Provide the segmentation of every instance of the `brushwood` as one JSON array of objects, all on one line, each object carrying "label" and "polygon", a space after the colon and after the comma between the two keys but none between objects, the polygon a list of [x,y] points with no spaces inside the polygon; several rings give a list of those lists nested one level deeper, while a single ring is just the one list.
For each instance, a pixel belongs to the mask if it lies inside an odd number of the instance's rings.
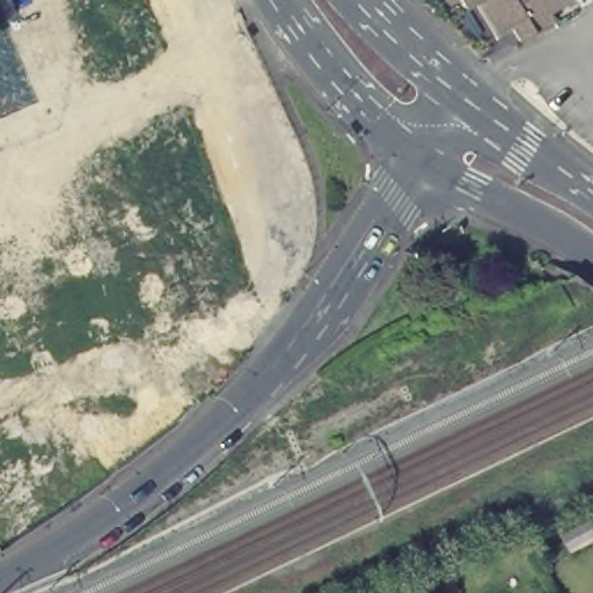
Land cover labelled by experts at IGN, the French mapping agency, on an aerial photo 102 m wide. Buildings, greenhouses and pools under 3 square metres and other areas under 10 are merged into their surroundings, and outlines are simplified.
[{"label": "brushwood", "polygon": [[375,354],[380,347],[424,341],[422,331],[412,329],[412,322],[419,322],[419,313],[408,313],[408,320],[389,324],[373,338],[357,343],[315,375],[320,378],[320,382],[327,385],[343,385],[347,380],[378,373],[385,366],[378,361]]},{"label": "brushwood", "polygon": [[551,556],[547,551],[549,572],[554,586],[551,593],[570,593],[563,579],[558,577],[558,556]]}]

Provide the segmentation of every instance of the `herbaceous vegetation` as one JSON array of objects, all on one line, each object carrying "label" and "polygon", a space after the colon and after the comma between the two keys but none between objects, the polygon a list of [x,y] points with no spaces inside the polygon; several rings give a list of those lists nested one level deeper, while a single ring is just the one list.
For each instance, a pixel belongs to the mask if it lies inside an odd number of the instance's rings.
[{"label": "herbaceous vegetation", "polygon": [[97,74],[97,79],[107,83],[123,81],[125,76],[141,72],[158,58],[158,53],[167,51],[167,39],[148,0],[67,0],[69,23],[76,32],[76,39],[83,42],[83,49],[90,49],[90,53],[83,58],[83,72]]},{"label": "herbaceous vegetation", "polygon": [[401,290],[391,280],[385,294],[378,299],[375,308],[359,327],[354,336],[357,343],[373,338],[389,324],[408,320],[408,313],[412,303],[405,297],[401,297]]},{"label": "herbaceous vegetation", "polygon": [[[74,215],[72,208],[63,208],[69,234],[65,239],[58,239],[53,248],[72,250],[74,246],[81,246],[83,255],[93,264],[90,273],[72,276],[69,266],[63,259],[42,259],[39,266],[32,269],[35,285],[39,290],[28,290],[23,297],[25,313],[16,320],[0,317],[0,382],[5,378],[30,375],[37,368],[37,364],[30,359],[35,352],[49,350],[56,361],[65,364],[74,359],[79,352],[100,347],[100,327],[93,324],[93,317],[109,320],[109,336],[114,343],[120,343],[120,338],[141,338],[144,343],[153,343],[153,347],[158,350],[174,347],[181,341],[183,320],[204,320],[218,315],[220,308],[227,306],[227,301],[234,294],[248,292],[255,285],[243,264],[243,252],[234,222],[218,190],[211,160],[204,148],[204,137],[195,125],[195,111],[192,107],[176,104],[153,116],[151,123],[141,127],[141,132],[132,139],[118,139],[116,146],[102,146],[79,164],[72,178],[72,188],[79,195],[81,215]],[[125,225],[125,213],[130,206],[139,208],[139,218],[144,225],[153,229],[153,239],[139,241],[137,234]],[[162,280],[162,294],[151,306],[146,306],[139,297],[141,283],[148,273],[155,273]]]},{"label": "herbaceous vegetation", "polygon": [[350,139],[336,132],[320,116],[320,111],[306,100],[306,95],[294,83],[287,86],[287,95],[301,125],[306,127],[308,141],[317,158],[322,185],[329,176],[338,176],[347,185],[347,197],[354,195],[359,176],[364,176],[359,153]]},{"label": "herbaceous vegetation", "polygon": [[107,466],[102,466],[95,456],[83,459],[83,463],[76,463],[72,440],[39,445],[23,442],[19,438],[7,438],[0,431],[0,551],[12,547],[9,537],[25,530],[30,521],[49,517],[60,505],[74,500],[93,484],[104,479]]},{"label": "herbaceous vegetation", "polygon": [[533,547],[524,544],[505,554],[503,561],[498,561],[496,565],[486,565],[482,572],[475,572],[463,581],[468,593],[551,593],[554,586],[549,572],[537,572],[530,565],[528,556],[535,551]]},{"label": "herbaceous vegetation", "polygon": [[551,556],[558,556],[558,577],[563,579],[570,593],[593,593],[593,544],[577,551],[568,551],[558,533],[544,540],[547,551]]},{"label": "herbaceous vegetation", "polygon": [[248,357],[248,352],[243,350],[229,350],[229,364],[222,364],[211,354],[204,364],[192,364],[181,373],[183,389],[190,394],[192,403],[208,403],[215,396],[220,382],[229,375],[232,366]]},{"label": "herbaceous vegetation", "polygon": [[79,415],[111,412],[130,417],[137,405],[130,396],[81,396],[69,401],[69,410]]},{"label": "herbaceous vegetation", "polygon": [[549,500],[556,491],[570,491],[581,482],[581,477],[593,475],[593,422],[572,433],[561,435],[558,440],[542,445],[530,454],[524,454],[505,466],[498,466],[486,475],[475,477],[389,524],[382,524],[378,530],[364,533],[359,537],[352,537],[350,542],[336,544],[317,554],[317,561],[308,570],[290,568],[285,574],[269,577],[259,581],[250,593],[303,593],[310,584],[329,577],[334,570],[371,558],[387,547],[410,540],[419,530],[445,524],[449,519],[459,519],[466,510],[482,507],[484,503],[493,500],[505,500],[517,493],[535,493]]},{"label": "herbaceous vegetation", "polygon": [[220,484],[234,484],[234,477],[248,473],[248,459],[252,449],[280,452],[283,447],[287,447],[285,435],[290,431],[297,433],[299,440],[308,438],[310,426],[315,422],[331,417],[334,412],[347,405],[378,398],[389,387],[398,387],[396,401],[378,408],[375,412],[357,419],[345,429],[350,440],[354,440],[373,426],[412,412],[424,401],[433,401],[442,394],[473,385],[475,380],[524,359],[526,354],[544,347],[551,341],[565,341],[584,327],[593,327],[593,287],[574,273],[561,278],[549,273],[535,273],[540,269],[540,262],[526,264],[528,246],[524,239],[512,236],[507,232],[486,234],[484,229],[473,225],[468,227],[466,236],[454,229],[438,232],[435,227],[431,227],[412,243],[415,252],[445,252],[452,257],[452,264],[456,264],[470,259],[475,248],[489,241],[498,248],[503,259],[512,262],[512,283],[517,287],[528,287],[533,292],[533,299],[528,303],[517,306],[512,310],[479,315],[466,310],[461,313],[461,317],[447,315],[447,331],[422,331],[424,341],[380,347],[375,354],[378,361],[385,366],[378,373],[347,380],[343,385],[327,385],[320,382],[320,378],[315,375],[299,385],[303,403],[290,401],[283,410],[278,410],[278,426],[273,426],[264,435],[252,435],[236,449],[234,456],[227,456],[225,461],[220,461],[215,470],[197,479],[190,486],[190,493],[178,500],[181,507],[208,493],[215,493]]}]

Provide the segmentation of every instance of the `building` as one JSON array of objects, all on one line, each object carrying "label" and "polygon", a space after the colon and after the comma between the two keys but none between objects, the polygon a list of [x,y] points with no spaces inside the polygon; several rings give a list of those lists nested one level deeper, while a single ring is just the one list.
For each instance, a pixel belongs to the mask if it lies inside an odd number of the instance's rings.
[{"label": "building", "polygon": [[568,551],[577,551],[593,544],[593,530],[586,530],[581,535],[577,535],[572,528],[558,533]]},{"label": "building", "polygon": [[533,30],[549,30],[558,21],[563,21],[565,12],[586,7],[591,5],[591,0],[449,0],[463,9],[475,9],[482,16],[491,37],[496,39],[500,39],[500,32],[505,30],[512,30],[512,37],[519,39],[521,35],[530,35]]},{"label": "building", "polygon": [[463,581],[442,581],[433,593],[468,593]]}]

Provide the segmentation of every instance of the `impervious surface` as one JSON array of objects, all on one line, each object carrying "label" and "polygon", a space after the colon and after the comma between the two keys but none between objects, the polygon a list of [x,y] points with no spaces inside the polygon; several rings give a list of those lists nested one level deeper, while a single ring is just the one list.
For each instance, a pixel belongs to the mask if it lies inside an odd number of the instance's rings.
[{"label": "impervious surface", "polygon": [[[454,229],[466,236],[468,227],[473,225],[484,229],[486,234],[507,232],[512,236],[524,239],[528,246],[535,250],[551,252],[556,264],[549,273],[561,278],[574,273],[593,287],[593,0],[591,0],[591,5],[586,7],[565,12],[563,21],[558,21],[549,30],[533,30],[530,35],[521,35],[519,39],[512,37],[512,30],[505,30],[500,32],[500,39],[496,39],[498,53],[493,58],[475,56],[473,42],[466,39],[463,32],[454,28],[447,19],[435,19],[435,9],[424,0],[232,0],[243,25],[248,28],[255,53],[301,146],[303,160],[313,178],[317,211],[315,243],[310,259],[301,271],[301,278],[280,294],[278,313],[243,350],[248,352],[248,357],[232,366],[229,375],[220,382],[215,396],[208,403],[192,403],[185,405],[171,424],[160,429],[155,435],[144,440],[139,447],[134,447],[116,463],[107,466],[104,479],[93,484],[74,500],[60,505],[49,517],[30,521],[25,530],[9,537],[12,547],[0,551],[0,593],[65,593],[72,584],[79,581],[76,572],[86,572],[90,565],[107,561],[109,556],[127,549],[137,540],[144,540],[158,528],[164,528],[167,519],[181,507],[178,500],[190,493],[190,486],[197,479],[215,470],[220,461],[225,461],[227,456],[234,456],[236,449],[252,435],[264,435],[273,426],[278,426],[278,410],[283,410],[290,401],[303,403],[299,385],[315,375],[357,343],[354,336],[359,327],[375,308],[378,299],[385,294],[391,280],[398,271],[401,259],[415,252],[412,243],[431,227],[435,227],[438,232]],[[364,176],[359,176],[354,195],[347,197],[343,202],[341,213],[329,211],[324,206],[322,185],[317,158],[308,141],[306,127],[301,125],[287,95],[287,86],[294,83],[306,95],[306,100],[320,111],[320,116],[336,132],[350,139],[359,153]]]},{"label": "impervious surface", "polygon": [[0,118],[16,114],[19,109],[35,102],[35,93],[19,60],[16,46],[9,37],[12,21],[42,19],[42,12],[21,12],[21,7],[30,0],[0,0]]}]

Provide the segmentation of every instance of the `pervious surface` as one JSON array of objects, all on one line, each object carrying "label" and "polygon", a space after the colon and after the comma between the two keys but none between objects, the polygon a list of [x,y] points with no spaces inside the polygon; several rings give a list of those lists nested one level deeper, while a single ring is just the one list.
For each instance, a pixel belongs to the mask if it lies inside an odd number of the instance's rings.
[{"label": "pervious surface", "polygon": [[139,241],[153,239],[153,229],[144,225],[139,218],[139,208],[130,206],[125,213],[125,225],[137,234]]},{"label": "pervious surface", "polygon": [[[181,373],[192,364],[204,364],[211,354],[222,364],[229,364],[229,350],[243,350],[278,313],[280,294],[301,278],[301,271],[310,259],[315,243],[317,211],[313,178],[303,160],[301,146],[255,53],[248,28],[243,25],[232,0],[148,0],[167,39],[167,51],[158,53],[158,58],[141,72],[125,76],[123,81],[107,83],[97,79],[97,74],[83,72],[83,58],[90,53],[90,49],[83,49],[83,42],[76,39],[76,32],[69,23],[67,0],[30,0],[21,7],[21,12],[42,12],[42,19],[12,21],[9,37],[16,46],[19,60],[35,93],[35,102],[19,109],[16,114],[0,118],[0,317],[16,320],[25,313],[23,297],[28,290],[39,290],[35,285],[32,269],[39,266],[42,259],[63,259],[69,266],[72,276],[90,273],[93,264],[83,255],[81,246],[74,246],[72,250],[53,248],[58,239],[65,239],[69,234],[63,208],[72,208],[74,215],[81,215],[79,195],[72,188],[72,178],[79,164],[102,146],[116,146],[118,139],[132,139],[141,132],[141,127],[151,123],[153,116],[176,104],[192,107],[195,111],[195,125],[204,137],[204,148],[211,160],[218,190],[234,222],[243,252],[243,264],[255,285],[248,292],[234,294],[227,301],[227,306],[220,308],[218,315],[204,320],[183,320],[181,341],[174,347],[158,350],[153,347],[153,343],[144,343],[141,338],[120,338],[120,343],[114,343],[109,336],[109,320],[93,317],[93,324],[100,327],[100,347],[79,352],[74,359],[65,364],[56,361],[49,350],[35,352],[30,359],[37,364],[37,368],[30,375],[5,378],[0,382],[0,431],[7,438],[19,438],[23,442],[39,445],[72,440],[76,463],[83,463],[83,459],[95,456],[102,466],[107,466],[116,463],[134,447],[139,447],[144,440],[155,435],[160,429],[171,424],[185,405],[192,403],[190,394],[183,389]],[[81,396],[130,396],[137,405],[130,417],[111,412],[79,415],[69,410],[69,401]]]},{"label": "pervious surface", "polygon": [[558,440],[561,435],[572,433],[593,422],[593,327],[584,327],[565,341],[551,341],[544,347],[526,354],[524,359],[475,380],[473,385],[442,394],[433,401],[424,401],[412,412],[373,426],[354,440],[350,440],[347,447],[343,447],[341,452],[334,452],[324,445],[327,433],[345,429],[357,419],[375,412],[378,408],[396,401],[398,387],[389,387],[378,398],[347,405],[334,412],[331,417],[315,422],[310,426],[308,438],[299,440],[297,433],[290,431],[285,435],[287,447],[283,447],[280,452],[252,449],[248,459],[248,473],[234,477],[234,484],[220,484],[215,493],[208,493],[181,507],[167,519],[164,528],[158,528],[144,540],[137,540],[127,549],[109,556],[107,561],[90,565],[86,572],[76,572],[79,581],[72,584],[65,593],[250,593],[259,581],[269,577],[285,574],[290,568],[308,570],[317,561],[317,554],[336,544],[350,542],[352,537],[359,537],[364,533],[378,530],[382,524],[389,524],[475,477],[486,475],[498,466],[505,466],[524,454],[530,454],[542,445]]},{"label": "pervious surface", "polygon": [[146,306],[151,306],[162,294],[162,280],[155,273],[148,273],[141,283],[139,297]]}]

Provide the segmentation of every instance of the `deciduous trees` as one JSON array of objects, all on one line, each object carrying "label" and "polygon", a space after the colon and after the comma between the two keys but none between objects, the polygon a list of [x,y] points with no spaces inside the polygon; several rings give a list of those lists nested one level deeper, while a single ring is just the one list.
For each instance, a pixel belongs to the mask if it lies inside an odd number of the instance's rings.
[{"label": "deciduous trees", "polygon": [[473,42],[475,56],[493,58],[498,53],[496,39],[491,37],[482,16],[475,9],[463,9],[449,0],[424,0],[435,9],[435,19],[447,19],[454,28],[463,32],[466,39]]},{"label": "deciduous trees", "polygon": [[334,452],[341,452],[343,447],[347,447],[350,440],[345,429],[327,433],[324,445]]},{"label": "deciduous trees", "polygon": [[498,561],[503,561],[505,554],[524,544],[533,547],[535,551],[528,556],[530,565],[537,572],[549,572],[547,551],[544,540],[558,533],[572,528],[577,535],[581,535],[586,530],[593,530],[593,475],[581,477],[581,482],[570,491],[556,491],[549,500],[535,493],[517,493],[505,500],[493,500],[484,503],[482,507],[466,510],[459,519],[449,519],[445,524],[419,530],[410,540],[387,547],[371,558],[334,570],[329,577],[310,584],[303,593],[433,593],[442,581],[463,581],[475,572],[482,572],[486,565],[496,565]]},{"label": "deciduous trees", "polygon": [[540,269],[535,273],[549,273],[556,264],[551,252],[535,250],[528,246],[526,264],[540,262]]},{"label": "deciduous trees", "polygon": [[338,176],[329,176],[322,185],[324,206],[329,211],[341,213],[343,202],[347,197],[347,185]]},{"label": "deciduous trees", "polygon": [[447,315],[461,317],[461,313],[466,310],[479,315],[512,310],[517,306],[528,303],[533,299],[533,292],[528,287],[517,287],[512,283],[512,262],[503,259],[498,248],[489,241],[475,248],[470,259],[456,264],[452,264],[452,257],[445,252],[415,252],[401,259],[398,271],[391,280],[401,290],[401,297],[405,297],[412,303],[408,313],[419,313],[419,322],[412,322],[412,329],[422,331],[447,331]]}]

